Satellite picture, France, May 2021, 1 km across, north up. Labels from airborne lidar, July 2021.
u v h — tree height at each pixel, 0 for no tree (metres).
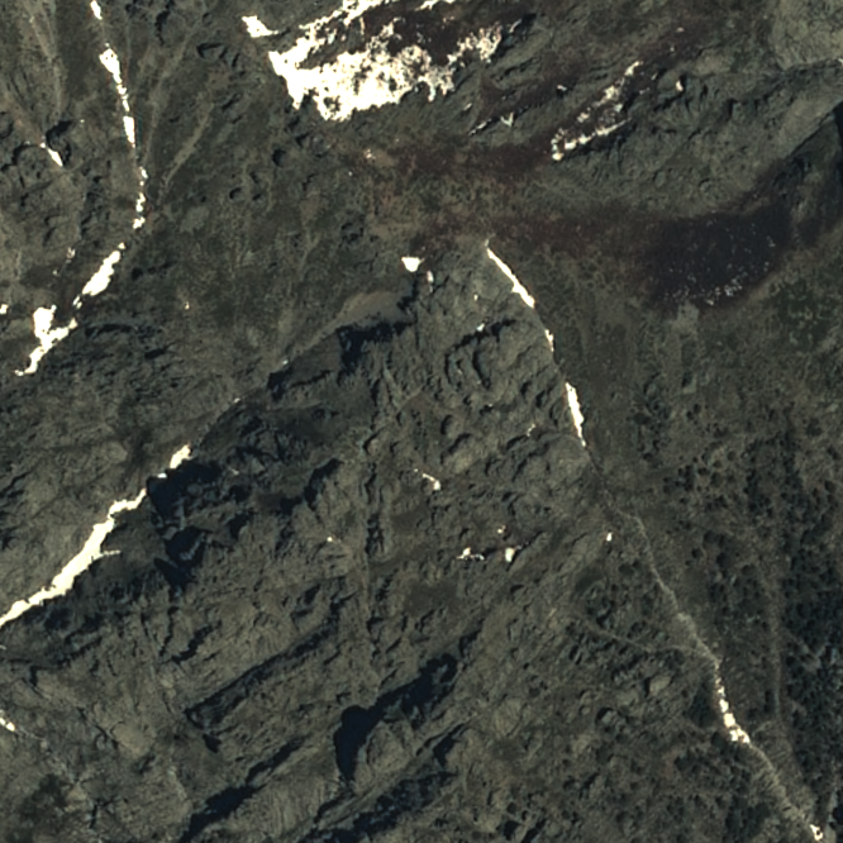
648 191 0
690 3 10
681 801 8
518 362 0
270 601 0
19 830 0
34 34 0
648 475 0
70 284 0
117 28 0
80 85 0
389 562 0
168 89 0
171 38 0
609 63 0
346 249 0
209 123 0
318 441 0
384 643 0
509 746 0
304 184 0
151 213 0
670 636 0
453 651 0
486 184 0
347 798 0
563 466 0
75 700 0
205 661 0
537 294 0
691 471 19
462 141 0
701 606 0
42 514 0
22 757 0
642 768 14
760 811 16
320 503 0
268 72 0
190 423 0
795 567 13
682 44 6
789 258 0
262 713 0
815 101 0
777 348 0
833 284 0
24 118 0
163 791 11
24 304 0
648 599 13
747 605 19
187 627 0
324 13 0
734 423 0
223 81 0
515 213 0
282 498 0
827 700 5
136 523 0
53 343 0
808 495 13
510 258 0
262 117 0
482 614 0
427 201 0
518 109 7
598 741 9
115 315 0
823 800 8
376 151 0
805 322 0
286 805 0
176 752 0
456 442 0
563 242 0
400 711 0
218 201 0
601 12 13
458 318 0
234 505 0
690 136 6
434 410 0
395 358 0
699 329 0
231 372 0
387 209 0
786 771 0
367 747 0
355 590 0
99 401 0
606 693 0
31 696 0
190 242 0
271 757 0
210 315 0
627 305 0
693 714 14
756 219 6
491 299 0
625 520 0
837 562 9
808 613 26
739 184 0
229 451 0
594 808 10
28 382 0
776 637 0
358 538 0
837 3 0
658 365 0
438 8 0
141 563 0
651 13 7
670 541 0
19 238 0
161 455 0
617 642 16
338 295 0
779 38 0
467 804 0
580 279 0
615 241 0
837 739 19
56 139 0
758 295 0
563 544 0
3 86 0
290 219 0
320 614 0
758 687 0
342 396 0
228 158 0
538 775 0
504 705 0
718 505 14
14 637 0
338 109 0
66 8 0
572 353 0
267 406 0
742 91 0
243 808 0
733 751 12
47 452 0
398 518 0
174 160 0
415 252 0
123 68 0
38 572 0
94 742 0
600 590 7
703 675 0
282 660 0
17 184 0
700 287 7
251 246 0
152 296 0
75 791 0
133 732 0
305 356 0
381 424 0
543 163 0
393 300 0
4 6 0
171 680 0
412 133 0
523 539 7
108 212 0
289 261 0
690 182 0
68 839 0
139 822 0
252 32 0
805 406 0
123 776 0
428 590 0
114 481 0
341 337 0
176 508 0
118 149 0
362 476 0
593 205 0
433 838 0
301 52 0
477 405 0
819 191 6
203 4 0
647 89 8
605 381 0
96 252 0
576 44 6
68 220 0
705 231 8
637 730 15
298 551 0
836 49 0
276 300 0
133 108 0
